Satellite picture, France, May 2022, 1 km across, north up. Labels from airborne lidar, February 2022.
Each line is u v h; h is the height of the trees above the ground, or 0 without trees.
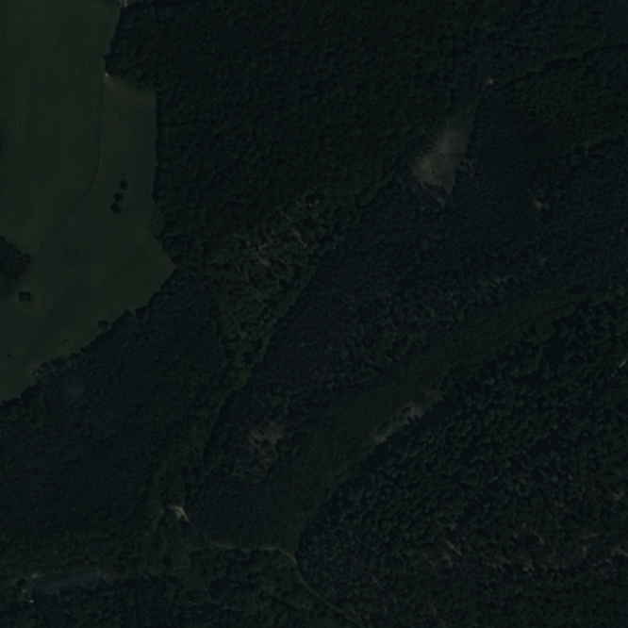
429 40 30
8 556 29
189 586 6
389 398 17
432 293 37
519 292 34
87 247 0
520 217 20
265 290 36
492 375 39
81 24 0
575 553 34
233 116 30
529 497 34
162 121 17
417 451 28
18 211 0
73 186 0
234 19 29
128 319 20
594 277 34
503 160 14
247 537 16
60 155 0
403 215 30
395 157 32
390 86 22
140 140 0
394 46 29
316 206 36
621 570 28
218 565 7
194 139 27
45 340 0
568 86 26
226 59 30
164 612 20
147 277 0
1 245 10
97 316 0
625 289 40
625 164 29
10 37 0
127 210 0
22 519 25
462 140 0
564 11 28
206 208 27
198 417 22
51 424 22
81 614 24
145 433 22
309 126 27
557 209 28
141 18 27
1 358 0
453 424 34
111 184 0
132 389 26
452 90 29
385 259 22
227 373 19
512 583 30
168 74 28
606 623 27
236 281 33
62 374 24
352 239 33
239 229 30
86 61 0
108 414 27
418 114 27
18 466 26
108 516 20
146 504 18
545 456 35
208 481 16
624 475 30
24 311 0
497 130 17
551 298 21
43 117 0
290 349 33
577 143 20
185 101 27
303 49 28
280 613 23
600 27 29
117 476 21
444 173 0
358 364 34
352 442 19
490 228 18
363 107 26
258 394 40
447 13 27
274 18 29
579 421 40
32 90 0
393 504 36
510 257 29
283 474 15
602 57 22
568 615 25
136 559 17
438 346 20
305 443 15
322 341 37
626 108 26
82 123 0
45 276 0
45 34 0
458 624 34
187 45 27
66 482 23
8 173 0
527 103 20
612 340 38
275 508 18
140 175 0
